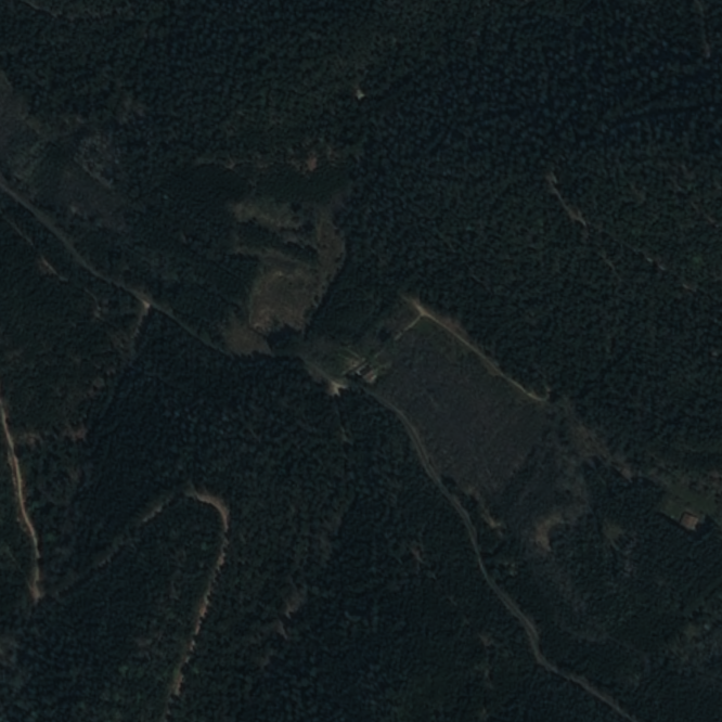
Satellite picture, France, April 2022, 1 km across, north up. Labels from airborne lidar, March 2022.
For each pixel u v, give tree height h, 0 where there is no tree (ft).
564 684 32
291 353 94
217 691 99
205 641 73
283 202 35
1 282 30
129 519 41
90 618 37
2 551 91
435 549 36
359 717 23
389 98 85
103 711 57
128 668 42
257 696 97
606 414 102
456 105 55
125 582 44
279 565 54
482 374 31
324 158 26
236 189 51
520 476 31
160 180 113
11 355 60
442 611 43
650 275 79
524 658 54
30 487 31
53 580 94
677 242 77
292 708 92
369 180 98
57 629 42
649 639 48
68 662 60
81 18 38
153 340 64
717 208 52
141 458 63
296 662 66
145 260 54
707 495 30
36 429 22
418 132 101
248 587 68
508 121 98
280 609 76
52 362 27
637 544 108
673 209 51
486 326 71
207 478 40
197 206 93
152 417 46
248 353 0
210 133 87
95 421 39
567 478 84
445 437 41
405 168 100
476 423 43
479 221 67
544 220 36
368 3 51
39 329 30
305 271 0
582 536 56
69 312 33
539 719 64
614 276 88
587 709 52
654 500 108
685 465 25
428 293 86
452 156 85
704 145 65
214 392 43
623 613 46
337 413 63
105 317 40
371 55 98
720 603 45
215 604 85
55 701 81
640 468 69
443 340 0
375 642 48
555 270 77
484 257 78
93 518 56
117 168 96
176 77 63
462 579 35
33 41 95
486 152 30
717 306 93
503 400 42
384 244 93
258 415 44
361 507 54
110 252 22
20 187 48
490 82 116
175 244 93
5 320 23
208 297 75
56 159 41
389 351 57
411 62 121
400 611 56
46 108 100
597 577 47
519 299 94
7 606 65
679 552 112
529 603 41
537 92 58
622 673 54
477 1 94
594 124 77
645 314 96
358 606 43
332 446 70
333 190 39
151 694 67
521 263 28
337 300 65
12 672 56
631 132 52
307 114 58
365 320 45
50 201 34
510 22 22
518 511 50
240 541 74
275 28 72
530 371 74
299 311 0
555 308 95
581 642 42
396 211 82
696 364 47
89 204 35
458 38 121
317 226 64
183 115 62
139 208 124
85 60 90
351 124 55
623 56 94
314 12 75
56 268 53
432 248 100
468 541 37
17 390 26
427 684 42
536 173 83
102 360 25
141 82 99
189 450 36
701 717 64
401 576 33
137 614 33
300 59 31
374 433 48
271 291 0
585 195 71
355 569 69
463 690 47
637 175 85
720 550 109
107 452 72
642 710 49
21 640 83
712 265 70
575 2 71
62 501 115
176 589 24
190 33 75
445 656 44
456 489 90
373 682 89
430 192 77
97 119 114
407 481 45
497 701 60
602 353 37
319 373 0
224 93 62
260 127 41
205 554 33
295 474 107
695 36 49
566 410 40
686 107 80
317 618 60
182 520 27
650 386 32
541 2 61
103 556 78
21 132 19
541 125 51
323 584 83
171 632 41
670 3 19
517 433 26
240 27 90
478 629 37
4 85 36
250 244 62
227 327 87
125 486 43
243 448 42
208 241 119
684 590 106
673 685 58
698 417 38
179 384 51
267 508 90
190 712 90
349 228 83
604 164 85
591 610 51
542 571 42
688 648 73
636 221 70
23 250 26
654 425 77
